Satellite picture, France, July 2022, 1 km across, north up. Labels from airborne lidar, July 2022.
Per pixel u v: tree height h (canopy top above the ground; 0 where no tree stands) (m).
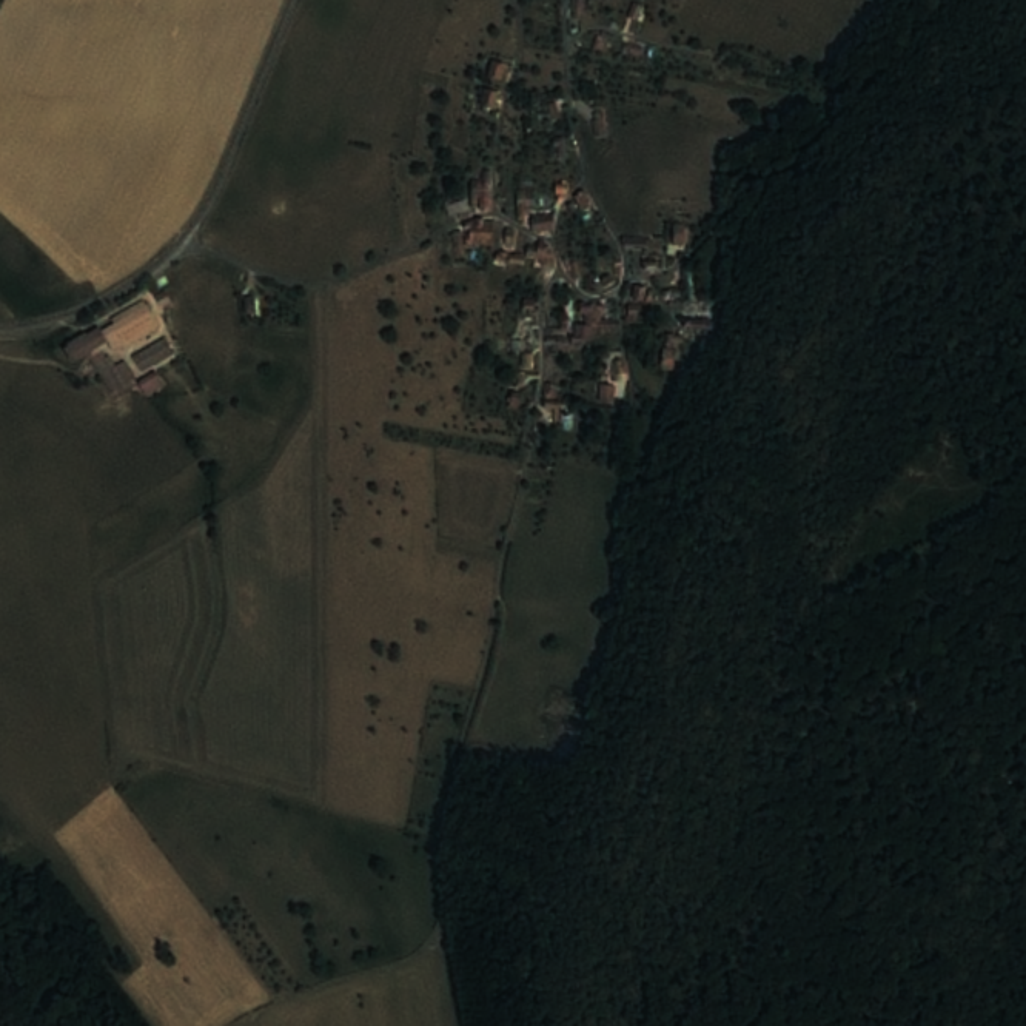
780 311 15
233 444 0
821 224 17
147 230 0
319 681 0
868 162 19
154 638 0
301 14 0
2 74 0
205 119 0
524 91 7
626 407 19
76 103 0
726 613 15
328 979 10
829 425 18
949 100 21
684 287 10
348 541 0
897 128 24
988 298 21
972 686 24
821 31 0
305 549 0
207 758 0
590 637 0
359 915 0
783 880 21
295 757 0
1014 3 20
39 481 0
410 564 0
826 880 20
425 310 0
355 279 0
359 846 0
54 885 15
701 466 20
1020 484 25
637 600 25
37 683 0
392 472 0
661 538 23
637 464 10
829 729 25
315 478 0
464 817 28
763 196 19
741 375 12
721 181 15
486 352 15
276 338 0
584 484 0
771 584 15
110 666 0
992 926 19
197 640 0
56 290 0
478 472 0
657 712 22
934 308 20
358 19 0
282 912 0
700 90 0
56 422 0
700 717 15
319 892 0
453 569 0
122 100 0
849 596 26
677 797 16
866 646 28
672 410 22
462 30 0
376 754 0
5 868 25
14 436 0
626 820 15
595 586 0
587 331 0
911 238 19
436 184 6
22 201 0
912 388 20
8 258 0
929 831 24
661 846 15
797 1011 24
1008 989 23
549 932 20
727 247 13
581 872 19
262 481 0
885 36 27
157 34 0
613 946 15
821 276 16
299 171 0
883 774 21
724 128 0
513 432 6
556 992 20
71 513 0
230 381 0
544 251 0
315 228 0
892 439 20
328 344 0
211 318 0
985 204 25
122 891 0
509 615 0
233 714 0
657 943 19
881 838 23
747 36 0
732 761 16
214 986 0
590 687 21
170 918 0
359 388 0
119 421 0
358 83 0
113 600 0
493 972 22
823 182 22
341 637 0
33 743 0
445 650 0
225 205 0
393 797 0
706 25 0
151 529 0
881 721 21
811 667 22
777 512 19
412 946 0
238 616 0
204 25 0
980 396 22
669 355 0
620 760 23
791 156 15
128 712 0
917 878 19
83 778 0
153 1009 0
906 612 28
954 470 0
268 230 0
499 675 0
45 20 0
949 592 24
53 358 0
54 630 0
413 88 0
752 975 20
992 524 25
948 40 19
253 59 0
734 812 16
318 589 0
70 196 0
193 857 0
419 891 0
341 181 0
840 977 25
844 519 19
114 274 0
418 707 0
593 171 0
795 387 13
